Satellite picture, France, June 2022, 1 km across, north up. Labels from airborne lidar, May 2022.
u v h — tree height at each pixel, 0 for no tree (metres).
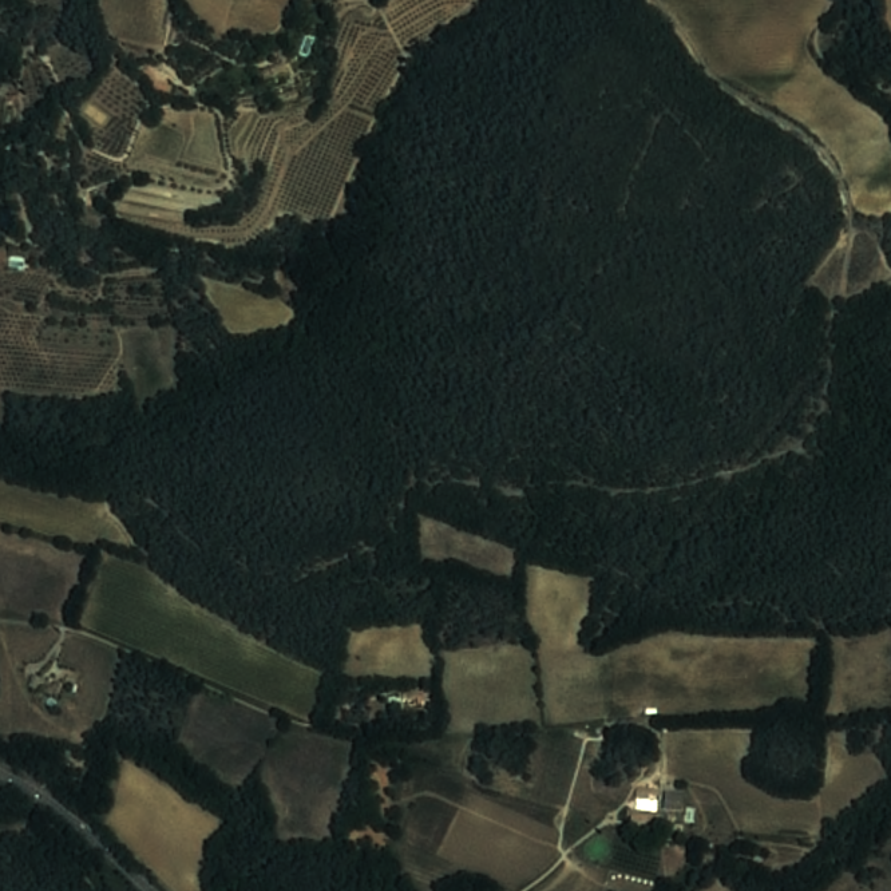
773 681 0
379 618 17
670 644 0
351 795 19
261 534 15
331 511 17
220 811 16
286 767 0
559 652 0
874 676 0
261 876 18
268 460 13
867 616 18
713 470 7
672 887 22
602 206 8
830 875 17
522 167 9
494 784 6
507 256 7
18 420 18
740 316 8
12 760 10
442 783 0
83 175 9
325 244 22
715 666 0
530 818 0
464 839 0
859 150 0
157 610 0
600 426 19
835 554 19
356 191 25
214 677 0
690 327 8
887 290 10
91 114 0
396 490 16
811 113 0
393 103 18
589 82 8
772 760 16
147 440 20
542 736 0
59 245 19
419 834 0
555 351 14
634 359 9
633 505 11
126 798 0
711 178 7
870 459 16
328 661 19
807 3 0
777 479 14
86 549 15
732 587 17
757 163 6
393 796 9
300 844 17
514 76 14
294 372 18
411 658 0
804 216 19
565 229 8
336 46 18
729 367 9
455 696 0
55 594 0
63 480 16
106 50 24
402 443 10
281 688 0
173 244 14
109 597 0
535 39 10
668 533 17
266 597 17
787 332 12
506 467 7
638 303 7
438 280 8
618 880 0
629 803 0
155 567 13
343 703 18
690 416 10
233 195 9
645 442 17
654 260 13
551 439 16
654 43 7
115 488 14
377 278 16
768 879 22
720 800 0
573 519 18
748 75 0
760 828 0
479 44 18
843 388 9
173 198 0
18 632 0
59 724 0
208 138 0
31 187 25
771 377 10
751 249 10
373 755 15
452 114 17
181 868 0
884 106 15
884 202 0
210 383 19
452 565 18
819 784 15
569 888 0
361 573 14
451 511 17
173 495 10
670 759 0
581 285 11
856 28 20
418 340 20
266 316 0
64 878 18
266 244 21
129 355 0
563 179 8
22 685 0
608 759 19
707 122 7
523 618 11
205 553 15
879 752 12
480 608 21
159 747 20
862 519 18
